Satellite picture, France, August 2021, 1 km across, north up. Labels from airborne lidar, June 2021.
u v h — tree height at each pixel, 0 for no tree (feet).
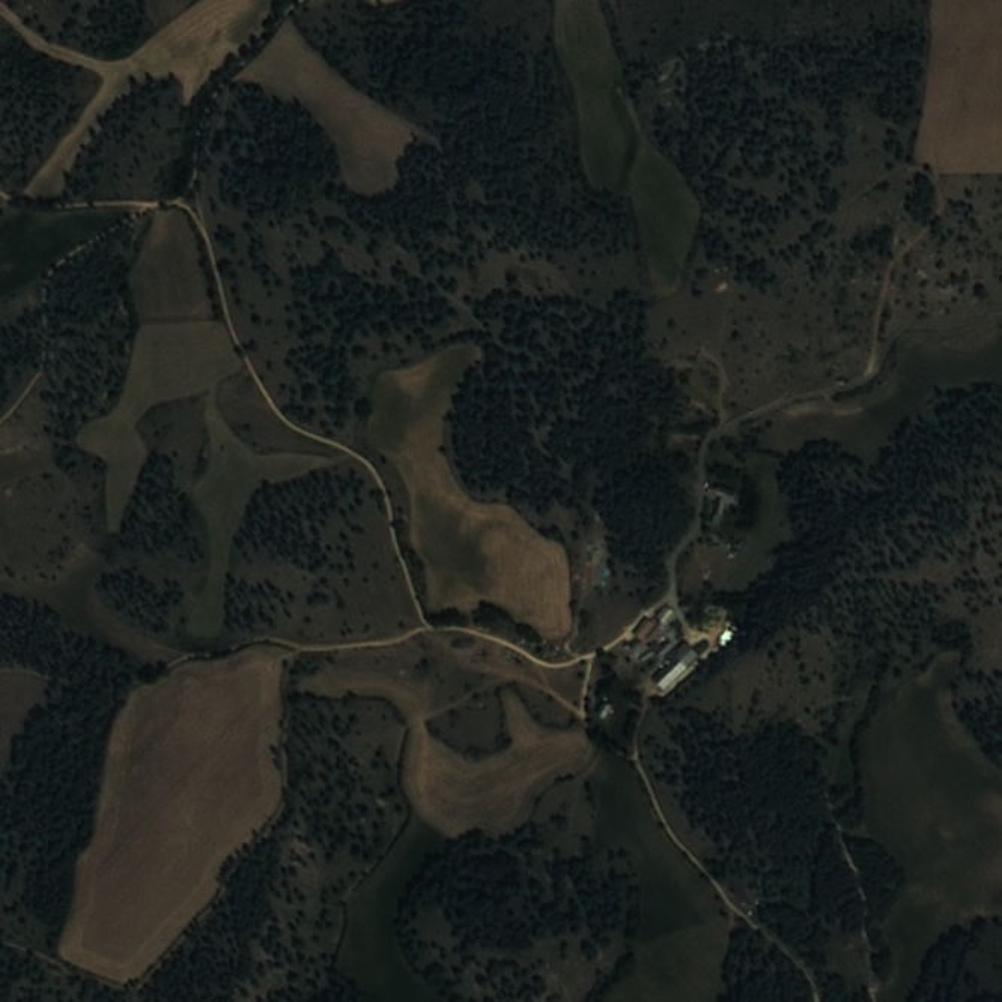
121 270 28
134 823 0
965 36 0
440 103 35
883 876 49
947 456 47
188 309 0
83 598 0
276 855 40
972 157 0
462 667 0
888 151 29
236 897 52
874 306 0
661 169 0
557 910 40
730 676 0
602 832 0
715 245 39
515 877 33
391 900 0
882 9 0
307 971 31
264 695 0
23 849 34
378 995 0
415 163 28
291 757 44
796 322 0
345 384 34
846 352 0
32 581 0
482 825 0
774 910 46
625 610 0
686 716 33
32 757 27
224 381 0
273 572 0
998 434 35
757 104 34
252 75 0
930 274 0
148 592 56
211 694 0
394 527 28
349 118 0
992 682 24
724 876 34
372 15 25
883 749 0
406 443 0
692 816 44
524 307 37
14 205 33
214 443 0
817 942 32
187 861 0
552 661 0
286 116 51
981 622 0
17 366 46
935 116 0
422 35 23
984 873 0
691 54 29
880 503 33
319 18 0
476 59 18
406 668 0
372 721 0
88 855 0
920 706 0
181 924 0
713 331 0
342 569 26
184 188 50
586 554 0
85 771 24
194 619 0
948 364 0
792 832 56
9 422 0
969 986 33
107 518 0
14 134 30
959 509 40
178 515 48
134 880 0
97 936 0
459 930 42
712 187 43
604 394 35
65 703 18
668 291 0
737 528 25
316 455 0
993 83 0
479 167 52
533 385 53
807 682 24
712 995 0
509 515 0
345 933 20
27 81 35
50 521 0
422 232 37
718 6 0
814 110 0
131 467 0
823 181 34
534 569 0
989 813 0
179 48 0
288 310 25
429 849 0
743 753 49
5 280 0
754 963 41
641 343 26
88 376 35
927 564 0
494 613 34
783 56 26
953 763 0
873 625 51
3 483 0
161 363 0
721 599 19
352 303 38
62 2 32
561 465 42
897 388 0
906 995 0
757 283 36
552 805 0
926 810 0
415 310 29
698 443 21
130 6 30
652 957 0
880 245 39
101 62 0
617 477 38
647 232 0
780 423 0
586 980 0
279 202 52
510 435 48
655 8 0
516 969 37
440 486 0
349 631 20
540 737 0
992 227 0
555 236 32
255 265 19
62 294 36
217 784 0
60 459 27
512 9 0
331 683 0
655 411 29
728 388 0
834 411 0
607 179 0
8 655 41
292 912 0
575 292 0
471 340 39
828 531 38
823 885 55
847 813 48
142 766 0
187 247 0
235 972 42
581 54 0
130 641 0
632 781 0
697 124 38
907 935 0
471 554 0
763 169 26
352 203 50
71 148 0
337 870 0
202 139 30
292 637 0
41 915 25
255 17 0
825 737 27
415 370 0
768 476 0
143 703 0
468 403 51
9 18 0
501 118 46
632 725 30
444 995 36
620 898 40
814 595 42
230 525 0
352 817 56
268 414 0
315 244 0
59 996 22
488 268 0
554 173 36
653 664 21
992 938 0
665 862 0
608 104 0
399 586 0
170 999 29
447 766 0
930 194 42
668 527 30
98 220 0
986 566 0
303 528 42
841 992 46
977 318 0
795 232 0
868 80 29
